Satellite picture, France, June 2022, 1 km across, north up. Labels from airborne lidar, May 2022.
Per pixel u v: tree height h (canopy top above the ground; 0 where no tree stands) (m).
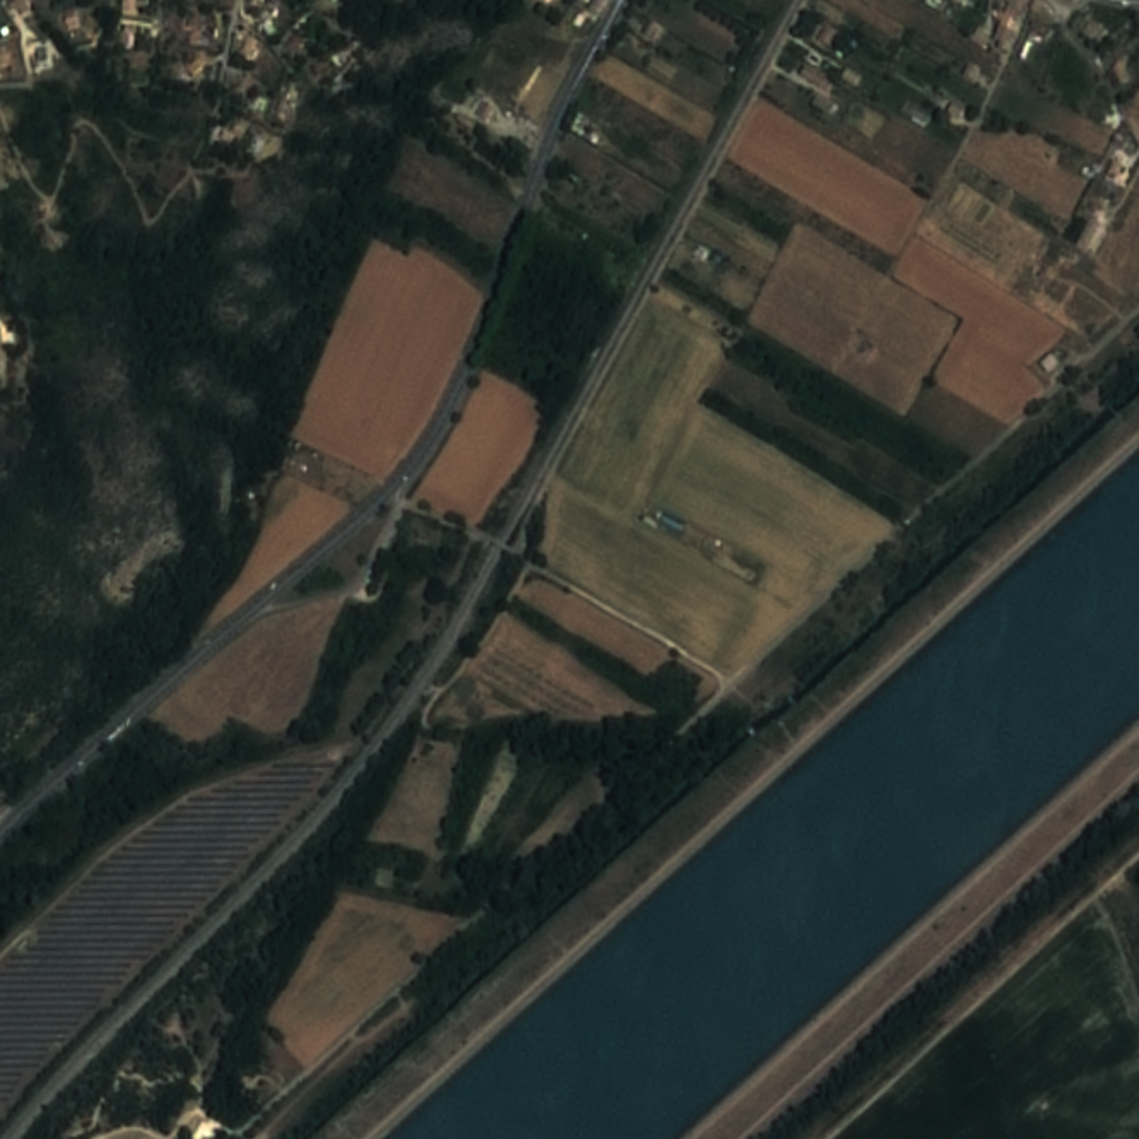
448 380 0
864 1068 21
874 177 0
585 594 0
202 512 10
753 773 0
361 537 0
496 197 0
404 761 8
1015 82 0
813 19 16
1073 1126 0
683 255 0
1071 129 0
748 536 0
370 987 0
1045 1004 0
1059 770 0
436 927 0
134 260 9
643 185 0
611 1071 0
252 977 16
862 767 0
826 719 0
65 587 6
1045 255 0
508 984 0
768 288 0
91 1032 10
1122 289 0
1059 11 0
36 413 7
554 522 0
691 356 0
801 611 0
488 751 10
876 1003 0
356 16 14
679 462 0
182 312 15
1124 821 29
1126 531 0
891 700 0
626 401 0
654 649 0
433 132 6
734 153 0
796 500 0
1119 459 0
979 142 0
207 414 10
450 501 0
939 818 0
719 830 0
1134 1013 0
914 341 0
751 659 0
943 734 0
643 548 0
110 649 13
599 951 0
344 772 8
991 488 9
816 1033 0
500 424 0
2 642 5
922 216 0
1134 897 0
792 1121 20
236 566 7
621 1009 0
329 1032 0
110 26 12
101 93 7
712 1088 0
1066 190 0
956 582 0
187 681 0
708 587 0
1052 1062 0
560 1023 0
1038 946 0
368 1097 0
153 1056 10
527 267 11
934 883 0
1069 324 0
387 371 0
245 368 16
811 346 0
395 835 0
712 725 12
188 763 11
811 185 0
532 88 0
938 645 0
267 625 0
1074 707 0
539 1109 0
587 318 15
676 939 0
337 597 0
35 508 6
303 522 0
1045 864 0
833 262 0
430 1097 0
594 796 0
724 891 0
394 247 14
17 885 17
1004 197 0
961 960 21
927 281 0
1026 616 0
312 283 13
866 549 0
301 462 0
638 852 0
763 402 0
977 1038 0
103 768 6
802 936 0
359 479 0
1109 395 18
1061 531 0
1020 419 0
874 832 0
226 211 7
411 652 13
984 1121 0
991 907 0
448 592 8
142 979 8
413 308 0
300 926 15
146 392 6
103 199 0
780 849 0
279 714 0
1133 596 0
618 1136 0
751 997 0
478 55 0
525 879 25
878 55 6
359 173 15
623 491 0
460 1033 0
